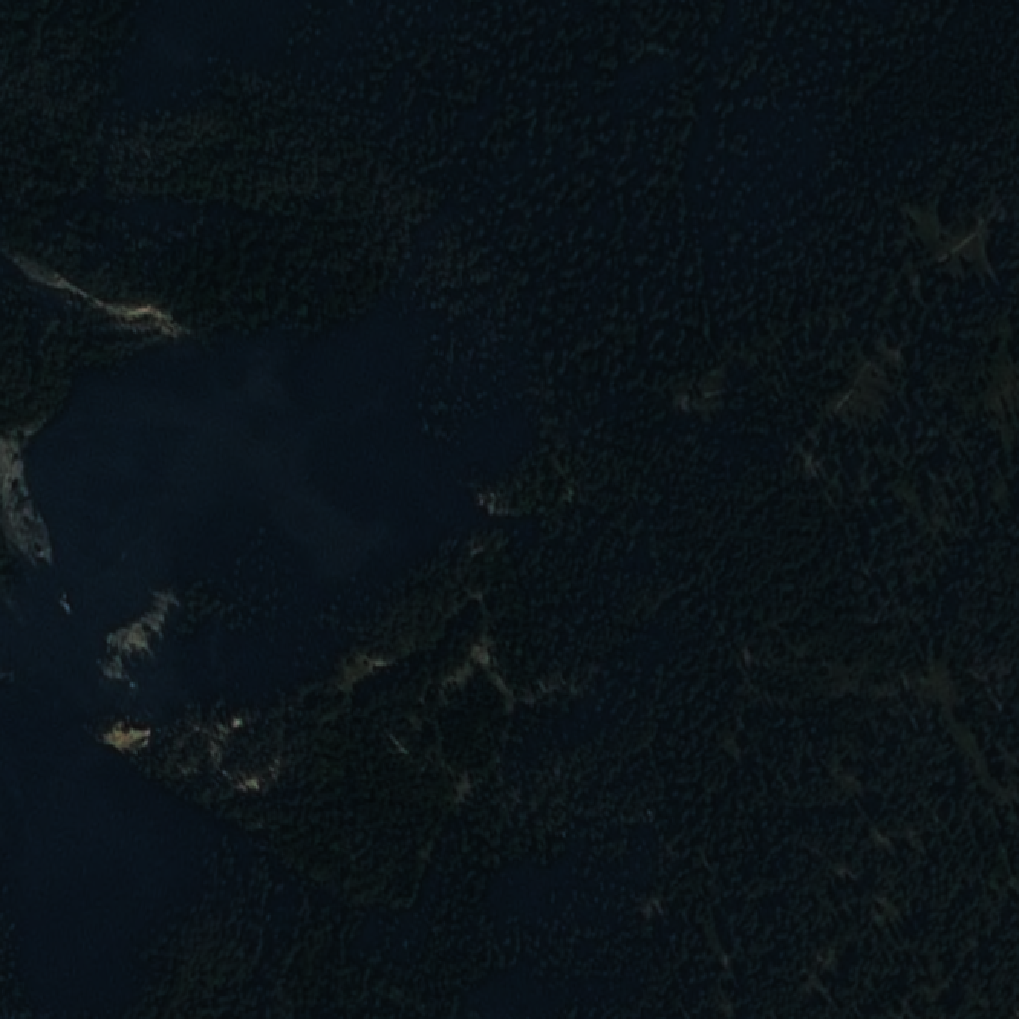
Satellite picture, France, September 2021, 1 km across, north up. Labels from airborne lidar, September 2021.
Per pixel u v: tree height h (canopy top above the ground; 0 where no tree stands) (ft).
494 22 106
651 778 68
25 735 60
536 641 69
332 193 72
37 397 43
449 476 55
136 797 43
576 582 68
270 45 62
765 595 75
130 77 59
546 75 89
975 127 66
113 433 0
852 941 19
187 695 21
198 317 56
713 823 65
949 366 75
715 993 75
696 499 69
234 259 86
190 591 52
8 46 59
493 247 45
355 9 70
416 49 86
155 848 26
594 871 36
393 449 62
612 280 84
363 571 62
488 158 41
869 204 37
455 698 32
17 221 79
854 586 90
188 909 50
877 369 97
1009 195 78
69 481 0
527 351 69
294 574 54
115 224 63
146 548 0
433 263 73
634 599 67
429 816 37
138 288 36
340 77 44
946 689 0
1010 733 88
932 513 99
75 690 0
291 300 50
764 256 105
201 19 75
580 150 116
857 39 75
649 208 103
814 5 88
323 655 83
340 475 56
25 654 0
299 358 51
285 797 60
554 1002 65
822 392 26
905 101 58
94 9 92
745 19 91
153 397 0
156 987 75
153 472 0
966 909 57
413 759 25
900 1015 98
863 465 88
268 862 42
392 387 64
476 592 51
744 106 101
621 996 73
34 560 0
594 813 47
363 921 21
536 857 51
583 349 104
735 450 50
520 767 60
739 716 39
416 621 62
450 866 42
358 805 70
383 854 40
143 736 0
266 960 26
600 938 84
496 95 87
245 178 55
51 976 27
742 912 102
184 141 48
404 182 57
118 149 61
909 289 70
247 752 59
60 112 61
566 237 99
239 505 38
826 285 77
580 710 26
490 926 52
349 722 45
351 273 68
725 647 93
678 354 62
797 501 72
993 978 102
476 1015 30
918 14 97
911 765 83
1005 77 55
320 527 0
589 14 42
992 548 90
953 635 73
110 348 46
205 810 44
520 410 52
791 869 92
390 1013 23
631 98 60
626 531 29
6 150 69
